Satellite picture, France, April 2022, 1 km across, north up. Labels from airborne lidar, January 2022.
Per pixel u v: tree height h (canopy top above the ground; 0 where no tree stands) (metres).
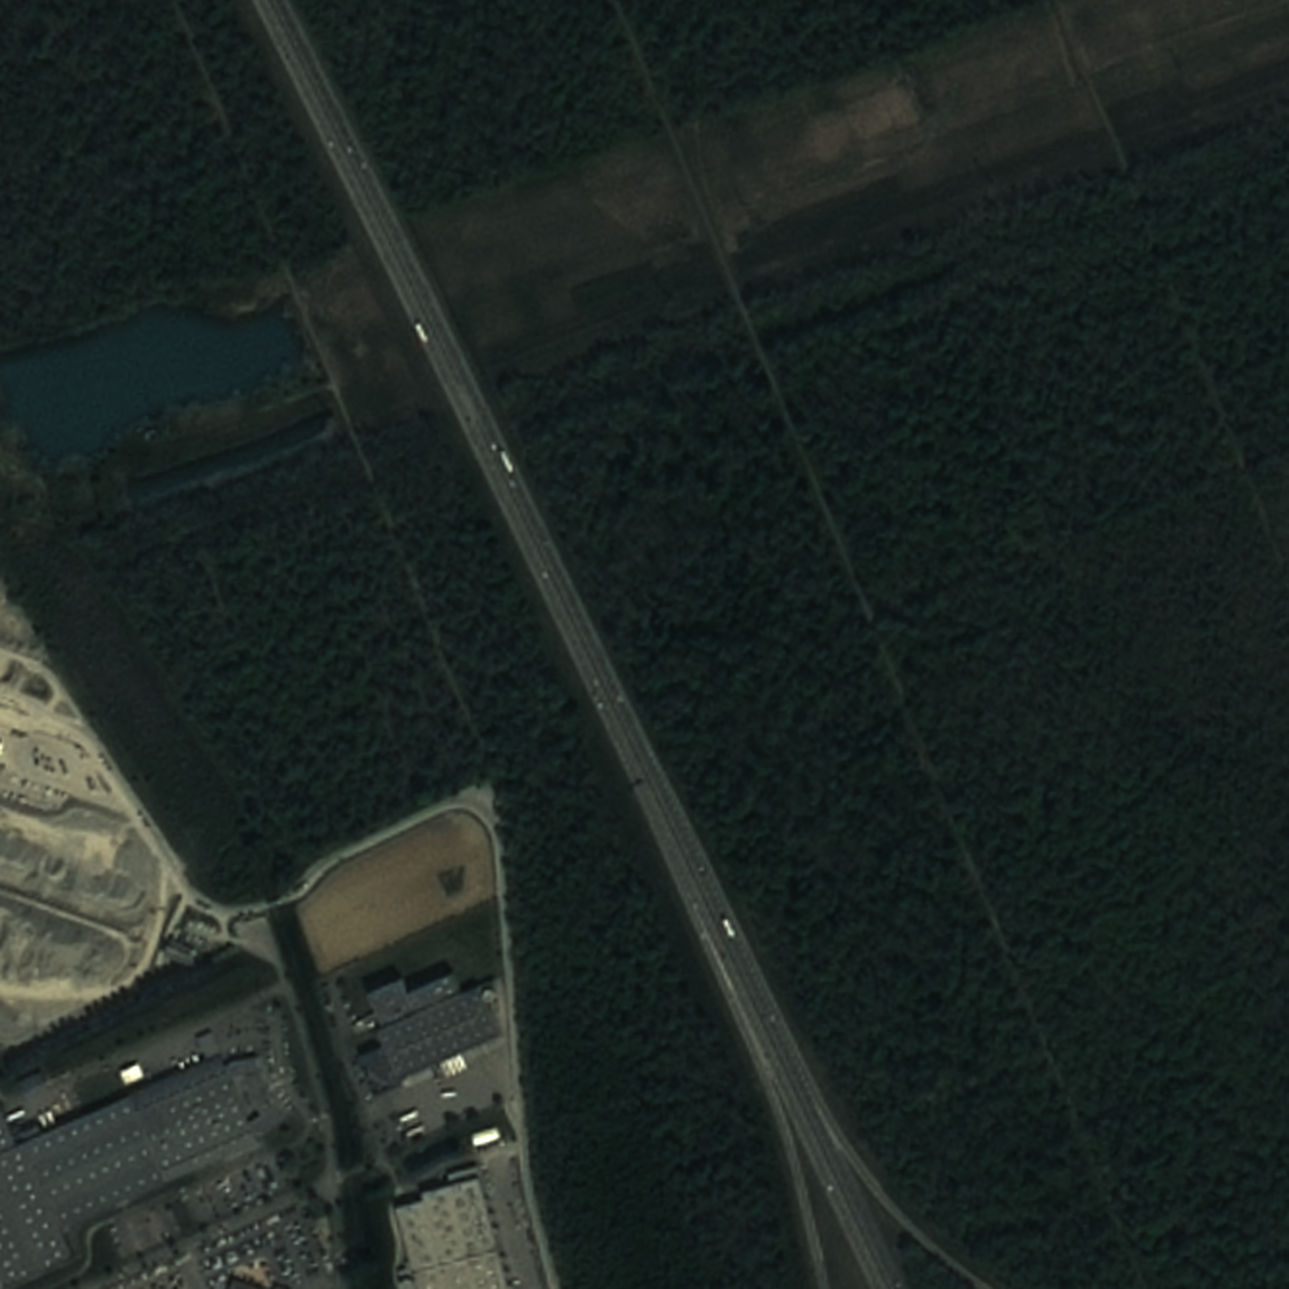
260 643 12
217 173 17
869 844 32
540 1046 11
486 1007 0
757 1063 0
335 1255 0
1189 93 0
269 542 17
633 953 16
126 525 10
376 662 12
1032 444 16
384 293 0
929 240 15
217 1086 0
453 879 0
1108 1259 20
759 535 16
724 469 25
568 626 0
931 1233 0
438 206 10
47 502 0
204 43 12
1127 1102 20
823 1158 0
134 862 0
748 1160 14
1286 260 21
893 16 20
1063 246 17
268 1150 0
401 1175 9
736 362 23
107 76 16
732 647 26
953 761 17
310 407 0
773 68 15
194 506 10
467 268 0
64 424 0
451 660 20
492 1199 0
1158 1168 22
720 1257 14
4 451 0
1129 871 22
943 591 17
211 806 0
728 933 0
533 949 7
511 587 16
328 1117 0
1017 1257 24
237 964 0
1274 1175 11
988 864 24
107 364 0
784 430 18
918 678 21
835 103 0
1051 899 15
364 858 0
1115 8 0
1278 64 0
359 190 0
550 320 0
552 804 28
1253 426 14
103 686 0
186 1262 0
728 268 0
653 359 9
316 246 8
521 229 0
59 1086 0
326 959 0
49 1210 0
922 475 21
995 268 17
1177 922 22
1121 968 20
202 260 9
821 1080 0
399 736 9
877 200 0
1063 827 22
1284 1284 20
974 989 18
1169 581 12
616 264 0
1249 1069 21
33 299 17
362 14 13
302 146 8
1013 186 0
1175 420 17
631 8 19
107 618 0
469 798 0
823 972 19
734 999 0
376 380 0
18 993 0
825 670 25
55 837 0
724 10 16
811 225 0
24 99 10
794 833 24
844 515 25
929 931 23
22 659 0
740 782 24
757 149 0
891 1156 14
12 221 11
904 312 20
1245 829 9
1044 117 0
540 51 27
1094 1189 9
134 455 0
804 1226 0
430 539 15
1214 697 6
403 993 0
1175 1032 20
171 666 10
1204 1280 19
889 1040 19
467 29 29
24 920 0
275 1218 0
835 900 26
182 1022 0
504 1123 0
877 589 17
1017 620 13
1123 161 0
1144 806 20
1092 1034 16
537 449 20
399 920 0
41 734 0
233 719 15
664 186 0
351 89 13
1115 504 13
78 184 19
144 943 0
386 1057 0
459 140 23
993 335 18
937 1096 20
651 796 0
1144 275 14
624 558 27
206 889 0
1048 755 15
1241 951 17
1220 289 21
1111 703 17
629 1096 12
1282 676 10
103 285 19
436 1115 0
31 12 16
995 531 16
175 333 0
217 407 0
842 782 30
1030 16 0
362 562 19
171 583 7
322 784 11
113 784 0
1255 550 10
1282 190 16
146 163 14
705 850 0
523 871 11
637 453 28
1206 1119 20
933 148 0
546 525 0
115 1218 0
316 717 7
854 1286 0
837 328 20
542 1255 0
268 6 0
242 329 0
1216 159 12
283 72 0
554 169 14
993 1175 20
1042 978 17
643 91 15
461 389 0
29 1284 0
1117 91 0
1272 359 20
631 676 0
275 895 0
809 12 16
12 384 0
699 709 26
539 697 18
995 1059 20
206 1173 0
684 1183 12
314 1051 0
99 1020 7
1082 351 17
